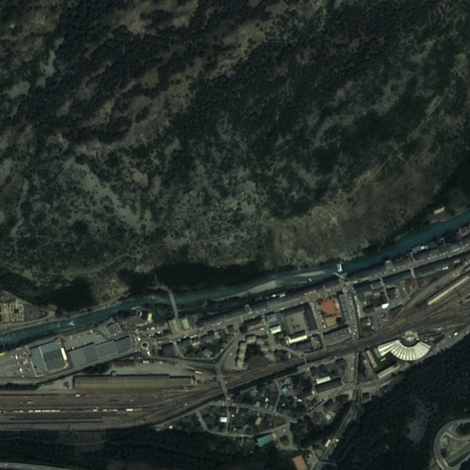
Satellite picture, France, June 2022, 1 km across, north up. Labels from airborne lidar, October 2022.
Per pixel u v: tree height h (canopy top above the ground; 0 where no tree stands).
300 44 11
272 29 7
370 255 15
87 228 8
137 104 0
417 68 6
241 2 17
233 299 11
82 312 7
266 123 8
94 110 9
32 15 0
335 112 8
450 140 9
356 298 0
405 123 6
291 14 6
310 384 6
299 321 0
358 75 8
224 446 5
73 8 11
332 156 7
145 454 28
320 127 8
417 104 7
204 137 7
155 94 11
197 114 12
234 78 15
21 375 0
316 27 8
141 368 0
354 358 0
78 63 8
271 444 15
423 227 8
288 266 9
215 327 0
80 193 7
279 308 0
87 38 15
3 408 0
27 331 0
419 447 6
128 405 0
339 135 7
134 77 12
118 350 0
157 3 13
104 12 21
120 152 7
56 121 13
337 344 0
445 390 15
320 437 12
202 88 12
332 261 14
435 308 0
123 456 17
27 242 7
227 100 13
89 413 0
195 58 11
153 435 28
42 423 0
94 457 16
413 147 6
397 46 10
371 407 12
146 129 0
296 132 6
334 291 0
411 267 0
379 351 0
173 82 10
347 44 8
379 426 15
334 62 9
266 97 7
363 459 18
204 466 13
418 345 0
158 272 11
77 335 0
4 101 7
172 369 0
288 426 0
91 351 0
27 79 11
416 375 19
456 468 0
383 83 6
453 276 0
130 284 6
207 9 11
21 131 8
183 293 10
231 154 5
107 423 0
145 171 6
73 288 9
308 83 14
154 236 9
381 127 7
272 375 0
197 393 0
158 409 0
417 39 7
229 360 0
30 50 6
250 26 0
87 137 13
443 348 0
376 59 14
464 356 18
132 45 21
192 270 11
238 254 5
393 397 23
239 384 0
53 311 0
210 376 0
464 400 9
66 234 7
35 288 11
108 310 0
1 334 0
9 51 8
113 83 18
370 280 0
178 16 0
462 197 0
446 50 8
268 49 13
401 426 18
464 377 16
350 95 6
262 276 16
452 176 6
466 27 6
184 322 0
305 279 0
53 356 0
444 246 0
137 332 0
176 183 6
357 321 0
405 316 0
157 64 10
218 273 14
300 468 0
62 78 9
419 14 14
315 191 8
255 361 0
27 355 0
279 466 14
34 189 8
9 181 10
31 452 6
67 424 0
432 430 9
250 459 12
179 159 13
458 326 0
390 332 0
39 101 18
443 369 15
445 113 6
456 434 0
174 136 6
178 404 0
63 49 27
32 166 6
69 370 0
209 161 6
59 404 0
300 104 13
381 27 18
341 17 23
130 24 0
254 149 12
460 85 13
